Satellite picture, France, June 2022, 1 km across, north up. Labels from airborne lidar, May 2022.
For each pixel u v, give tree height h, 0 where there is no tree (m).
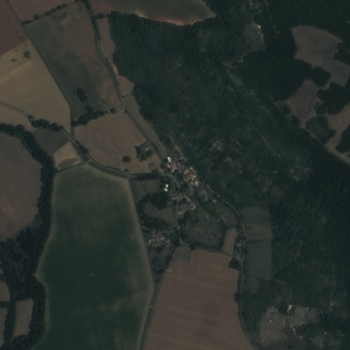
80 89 12
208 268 0
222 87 7
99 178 0
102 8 0
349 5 12
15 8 0
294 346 0
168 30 7
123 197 0
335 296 7
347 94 13
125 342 0
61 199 0
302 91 0
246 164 6
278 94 11
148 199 15
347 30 12
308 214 9
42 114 0
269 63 11
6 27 0
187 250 0
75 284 0
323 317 11
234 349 0
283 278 12
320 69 13
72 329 0
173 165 0
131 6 0
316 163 18
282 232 17
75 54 0
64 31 0
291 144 8
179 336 0
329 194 15
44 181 19
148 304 0
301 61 13
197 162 5
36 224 0
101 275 0
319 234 7
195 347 0
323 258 9
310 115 0
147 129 0
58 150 0
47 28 0
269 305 8
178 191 16
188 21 0
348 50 9
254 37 0
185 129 6
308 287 12
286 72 8
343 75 0
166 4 0
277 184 6
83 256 0
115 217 0
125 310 0
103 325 0
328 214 7
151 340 0
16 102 0
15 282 26
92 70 0
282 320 0
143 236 0
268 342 0
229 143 7
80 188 0
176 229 9
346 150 10
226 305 0
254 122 12
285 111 10
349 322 8
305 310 0
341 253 8
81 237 0
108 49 0
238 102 11
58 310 0
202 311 0
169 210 0
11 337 11
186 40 11
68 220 0
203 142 7
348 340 8
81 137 0
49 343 0
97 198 0
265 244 0
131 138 0
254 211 0
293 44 12
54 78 0
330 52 0
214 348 0
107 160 0
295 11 11
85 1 19
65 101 0
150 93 11
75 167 0
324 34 0
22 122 0
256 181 8
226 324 0
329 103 12
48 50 0
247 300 6
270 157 7
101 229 0
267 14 9
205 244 8
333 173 25
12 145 0
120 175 0
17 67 0
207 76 8
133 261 0
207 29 7
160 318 0
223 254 0
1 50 0
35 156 18
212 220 0
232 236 0
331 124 0
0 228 0
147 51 8
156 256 6
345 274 8
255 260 0
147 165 0
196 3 0
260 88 7
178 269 0
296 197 12
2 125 11
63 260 0
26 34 0
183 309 0
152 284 0
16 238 0
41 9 0
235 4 10
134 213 0
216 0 9
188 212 14
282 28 10
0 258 16
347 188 24
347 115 0
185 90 9
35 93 0
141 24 15
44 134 0
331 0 10
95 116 15
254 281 0
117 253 0
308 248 7
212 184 6
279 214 14
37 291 19
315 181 19
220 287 0
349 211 19
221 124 9
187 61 12
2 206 0
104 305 0
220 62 12
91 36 0
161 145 0
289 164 8
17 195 0
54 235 0
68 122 0
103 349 0
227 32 8
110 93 0
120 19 13
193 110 6
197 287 0
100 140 0
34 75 0
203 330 0
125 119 0
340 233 11
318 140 7
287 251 8
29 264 31
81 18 0
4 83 0
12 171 0
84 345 0
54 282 0
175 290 0
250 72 9
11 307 18
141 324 0
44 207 31
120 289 0
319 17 12
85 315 0
